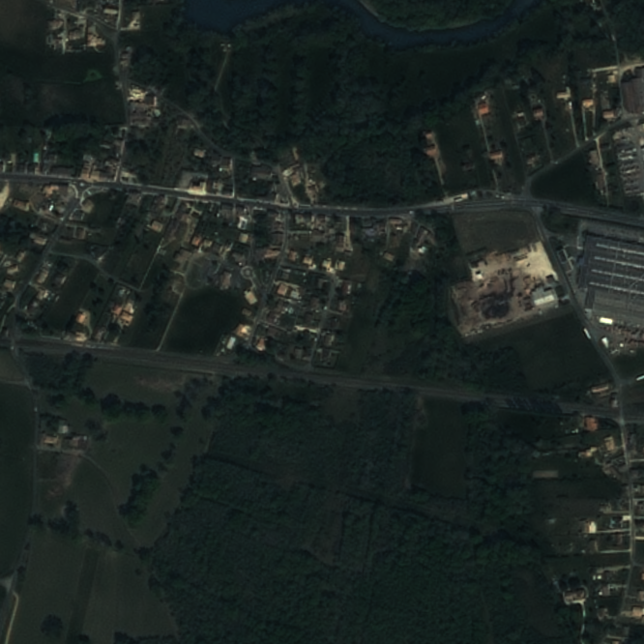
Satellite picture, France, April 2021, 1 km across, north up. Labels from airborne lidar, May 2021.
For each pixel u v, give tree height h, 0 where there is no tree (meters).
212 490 19
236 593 10
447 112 14
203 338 0
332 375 0
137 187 0
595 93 0
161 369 0
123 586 0
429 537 15
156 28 0
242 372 0
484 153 7
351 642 11
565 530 0
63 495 0
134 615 0
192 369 0
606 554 0
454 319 0
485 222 0
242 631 12
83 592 0
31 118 0
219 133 15
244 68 0
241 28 12
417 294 18
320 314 0
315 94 0
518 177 0
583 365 0
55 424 9
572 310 0
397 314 14
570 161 0
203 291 0
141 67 25
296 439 8
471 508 14
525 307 0
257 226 6
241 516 15
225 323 0
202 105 16
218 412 21
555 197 0
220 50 0
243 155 14
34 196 0
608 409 0
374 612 18
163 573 16
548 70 0
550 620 0
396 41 0
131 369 0
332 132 20
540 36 0
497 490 20
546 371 0
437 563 20
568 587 12
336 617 16
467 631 17
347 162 7
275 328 0
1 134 13
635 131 0
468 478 11
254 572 12
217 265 7
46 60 0
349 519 17
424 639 16
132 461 0
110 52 0
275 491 10
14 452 0
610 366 0
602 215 0
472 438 9
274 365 15
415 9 18
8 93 0
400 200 10
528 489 14
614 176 7
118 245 9
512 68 14
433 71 0
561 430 0
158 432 0
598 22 11
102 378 0
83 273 0
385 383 0
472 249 0
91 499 0
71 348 0
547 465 0
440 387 0
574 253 0
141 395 0
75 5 0
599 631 17
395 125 17
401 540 11
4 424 0
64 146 15
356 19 26
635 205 0
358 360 0
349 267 0
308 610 16
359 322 0
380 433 6
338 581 12
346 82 18
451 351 15
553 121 7
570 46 17
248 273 0
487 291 0
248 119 13
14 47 0
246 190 8
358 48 14
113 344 0
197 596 10
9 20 0
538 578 8
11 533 0
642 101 0
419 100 0
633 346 0
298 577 14
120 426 0
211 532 16
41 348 0
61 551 0
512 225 0
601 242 0
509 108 0
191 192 0
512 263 0
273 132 17
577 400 8
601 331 0
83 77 0
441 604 15
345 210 0
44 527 21
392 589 14
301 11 22
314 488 13
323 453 8
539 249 0
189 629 9
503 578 14
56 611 0
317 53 0
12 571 0
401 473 19
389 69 0
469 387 21
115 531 0
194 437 0
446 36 0
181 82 0
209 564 17
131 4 9
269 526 12
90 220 0
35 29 0
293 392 0
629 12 23
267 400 17
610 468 0
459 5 17
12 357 0
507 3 22
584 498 0
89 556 0
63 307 0
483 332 0
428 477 0
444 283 15
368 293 0
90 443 0
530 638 7
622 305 0
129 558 0
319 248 9
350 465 7
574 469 0
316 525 9
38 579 0
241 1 0
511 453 13
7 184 0
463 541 15
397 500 6
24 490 0
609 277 0
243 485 12
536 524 0
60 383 11
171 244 0
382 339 0
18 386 0
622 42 17
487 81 17
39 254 8
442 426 0
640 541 0
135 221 7
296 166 0
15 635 0
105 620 0
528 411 25
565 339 0
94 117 0
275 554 11
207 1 0
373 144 16
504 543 22
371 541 10
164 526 0
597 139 0
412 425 18
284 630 22
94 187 0
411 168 11
